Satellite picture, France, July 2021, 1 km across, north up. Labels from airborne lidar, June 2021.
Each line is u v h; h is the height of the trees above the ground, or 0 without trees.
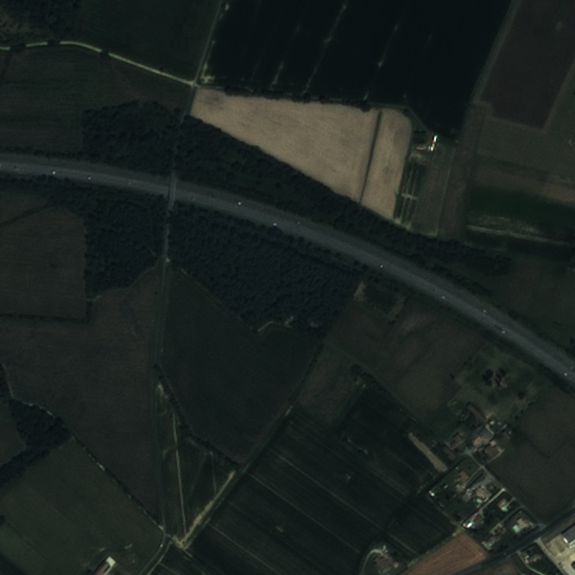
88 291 6
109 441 0
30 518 0
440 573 0
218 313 0
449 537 0
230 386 0
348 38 0
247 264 24
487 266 7
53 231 0
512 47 0
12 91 0
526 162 0
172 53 0
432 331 0
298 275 23
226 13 0
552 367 0
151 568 0
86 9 0
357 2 0
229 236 22
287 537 0
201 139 7
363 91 0
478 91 0
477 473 0
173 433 0
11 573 0
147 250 16
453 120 0
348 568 0
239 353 0
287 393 0
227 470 0
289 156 0
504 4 0
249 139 0
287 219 0
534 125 0
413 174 0
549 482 0
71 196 15
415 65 0
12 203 0
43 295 0
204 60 0
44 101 0
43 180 14
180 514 0
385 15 0
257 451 0
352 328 0
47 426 17
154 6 0
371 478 0
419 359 0
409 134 0
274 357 0
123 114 16
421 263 10
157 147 24
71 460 0
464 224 0
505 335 0
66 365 0
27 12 15
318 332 15
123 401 0
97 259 12
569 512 0
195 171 8
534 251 0
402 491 0
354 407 0
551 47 0
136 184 0
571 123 0
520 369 0
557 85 0
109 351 0
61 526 0
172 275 0
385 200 0
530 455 0
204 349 0
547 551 0
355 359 0
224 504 0
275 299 13
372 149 0
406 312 0
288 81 0
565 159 0
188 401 0
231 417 0
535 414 0
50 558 0
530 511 0
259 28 0
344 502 0
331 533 0
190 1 0
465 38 0
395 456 0
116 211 9
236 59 0
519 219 0
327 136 0
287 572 0
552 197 0
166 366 0
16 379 0
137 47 0
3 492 0
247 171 13
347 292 11
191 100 0
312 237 0
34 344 0
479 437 0
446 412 0
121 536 0
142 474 0
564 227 0
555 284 0
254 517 0
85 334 0
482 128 0
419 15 0
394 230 17
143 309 0
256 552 0
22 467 16
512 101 0
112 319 0
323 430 0
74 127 0
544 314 0
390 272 0
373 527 0
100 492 0
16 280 0
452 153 0
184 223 15
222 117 0
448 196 0
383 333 0
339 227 8
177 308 0
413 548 0
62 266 0
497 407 0
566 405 0
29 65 0
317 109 0
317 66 0
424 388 0
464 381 0
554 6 0
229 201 0
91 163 8
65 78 0
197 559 0
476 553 0
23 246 0
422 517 0
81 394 0
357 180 0
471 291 6
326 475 0
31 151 10
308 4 0
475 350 0
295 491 0
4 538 0
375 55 0
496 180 0
